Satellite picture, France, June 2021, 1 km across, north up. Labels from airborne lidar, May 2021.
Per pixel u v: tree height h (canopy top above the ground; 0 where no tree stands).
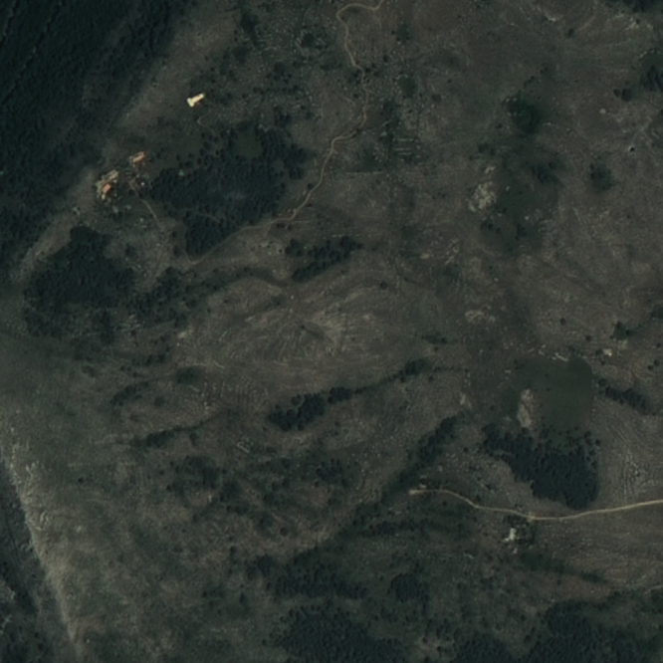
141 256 0
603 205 0
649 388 0
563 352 0
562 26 0
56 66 10
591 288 0
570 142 0
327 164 0
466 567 0
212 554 0
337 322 0
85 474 0
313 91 0
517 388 0
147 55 8
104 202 0
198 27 0
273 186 10
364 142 0
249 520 0
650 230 0
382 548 0
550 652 10
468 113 0
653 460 0
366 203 0
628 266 0
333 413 0
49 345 0
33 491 0
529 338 0
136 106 0
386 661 12
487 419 0
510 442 12
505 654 9
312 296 0
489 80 0
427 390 0
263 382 0
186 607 0
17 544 0
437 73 0
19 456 0
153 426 0
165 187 12
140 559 0
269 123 0
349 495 0
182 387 0
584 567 0
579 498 14
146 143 0
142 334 0
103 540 0
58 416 0
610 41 0
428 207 0
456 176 0
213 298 0
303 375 0
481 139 0
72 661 0
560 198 0
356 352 0
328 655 11
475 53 0
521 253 0
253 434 0
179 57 0
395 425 0
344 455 0
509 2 0
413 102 0
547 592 0
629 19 0
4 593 0
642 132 0
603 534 0
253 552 0
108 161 0
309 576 10
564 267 0
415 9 0
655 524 0
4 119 20
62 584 0
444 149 0
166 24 10
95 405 0
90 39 9
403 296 0
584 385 0
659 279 0
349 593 11
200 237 12
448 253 0
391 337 0
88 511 0
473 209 0
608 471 0
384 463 0
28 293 10
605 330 0
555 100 0
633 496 0
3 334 0
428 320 0
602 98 0
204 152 11
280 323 0
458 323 0
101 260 11
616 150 0
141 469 0
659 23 0
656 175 0
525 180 0
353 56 0
